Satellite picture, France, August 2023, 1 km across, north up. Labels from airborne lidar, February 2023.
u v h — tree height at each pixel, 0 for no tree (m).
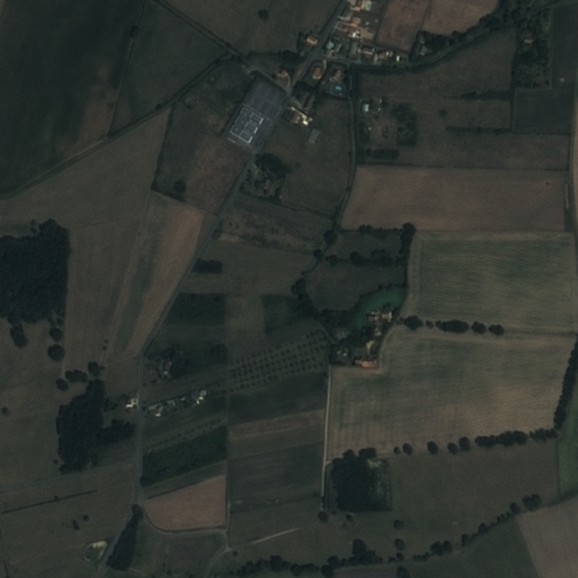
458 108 0
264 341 0
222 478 0
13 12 0
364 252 0
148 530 0
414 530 0
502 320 0
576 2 0
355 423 0
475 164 0
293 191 0
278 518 0
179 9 0
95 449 15
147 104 0
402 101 0
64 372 0
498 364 0
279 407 0
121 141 0
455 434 0
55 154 0
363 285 0
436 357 0
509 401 0
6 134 0
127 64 0
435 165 0
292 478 0
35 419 0
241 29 0
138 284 0
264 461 0
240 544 0
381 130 0
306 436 0
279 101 0
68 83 0
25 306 19
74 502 0
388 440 0
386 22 0
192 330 0
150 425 0
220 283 0
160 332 0
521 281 0
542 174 0
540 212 0
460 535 0
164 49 0
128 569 10
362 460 11
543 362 0
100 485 0
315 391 0
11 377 0
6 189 0
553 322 0
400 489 0
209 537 0
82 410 16
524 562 0
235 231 0
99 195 0
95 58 0
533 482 0
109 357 0
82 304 0
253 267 0
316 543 0
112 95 0
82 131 0
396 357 0
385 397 0
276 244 0
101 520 0
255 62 0
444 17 0
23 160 0
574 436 0
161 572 0
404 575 18
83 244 0
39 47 0
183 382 0
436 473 0
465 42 13
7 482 0
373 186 0
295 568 9
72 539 0
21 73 0
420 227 0
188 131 0
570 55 0
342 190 0
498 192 0
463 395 0
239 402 0
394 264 14
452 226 0
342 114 0
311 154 0
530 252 0
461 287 0
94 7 0
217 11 0
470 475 0
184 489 0
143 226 0
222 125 0
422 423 0
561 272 0
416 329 15
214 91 0
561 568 0
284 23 0
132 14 0
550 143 0
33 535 0
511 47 0
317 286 0
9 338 0
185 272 0
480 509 0
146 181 0
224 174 0
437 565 0
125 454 0
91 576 0
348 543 0
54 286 19
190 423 0
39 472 0
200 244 0
